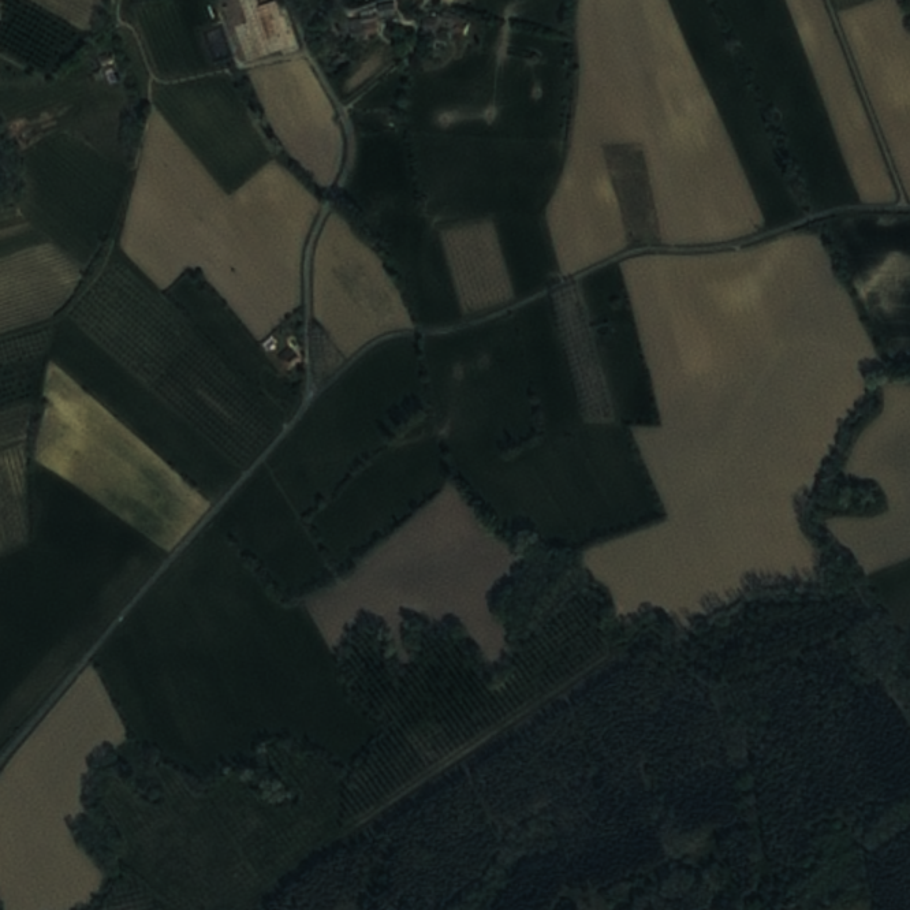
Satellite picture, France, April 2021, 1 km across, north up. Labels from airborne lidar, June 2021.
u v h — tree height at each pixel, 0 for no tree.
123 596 0
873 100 0
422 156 0
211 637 0
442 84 0
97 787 17
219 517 0
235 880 12
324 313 0
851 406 0
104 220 0
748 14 0
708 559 0
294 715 0
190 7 0
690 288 0
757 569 0
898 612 0
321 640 0
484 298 0
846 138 0
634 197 0
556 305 21
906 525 0
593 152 0
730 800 15
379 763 18
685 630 28
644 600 0
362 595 0
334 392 0
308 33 18
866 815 11
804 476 0
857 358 0
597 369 22
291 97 0
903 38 0
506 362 0
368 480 0
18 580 0
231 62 0
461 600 0
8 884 0
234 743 0
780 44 0
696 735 12
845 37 0
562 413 0
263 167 0
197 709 0
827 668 12
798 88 0
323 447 0
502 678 23
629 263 0
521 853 15
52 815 0
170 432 0
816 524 22
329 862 16
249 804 16
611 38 0
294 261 0
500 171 0
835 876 8
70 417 0
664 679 9
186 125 0
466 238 0
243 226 0
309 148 0
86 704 0
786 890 8
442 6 12
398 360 0
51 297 0
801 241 0
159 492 0
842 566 16
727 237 0
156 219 0
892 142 0
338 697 0
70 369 0
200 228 0
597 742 14
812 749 16
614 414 23
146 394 0
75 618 0
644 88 0
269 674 0
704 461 0
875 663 21
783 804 15
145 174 0
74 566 0
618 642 15
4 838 0
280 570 0
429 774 13
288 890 14
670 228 0
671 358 0
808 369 0
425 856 13
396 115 16
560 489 0
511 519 0
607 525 0
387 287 0
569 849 12
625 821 16
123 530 0
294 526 0
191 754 0
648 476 7
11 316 0
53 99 0
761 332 0
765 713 20
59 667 0
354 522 0
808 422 0
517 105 0
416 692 17
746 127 0
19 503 0
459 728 16
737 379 0
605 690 13
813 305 0
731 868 20
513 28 9
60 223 0
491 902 14
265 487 0
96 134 0
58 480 0
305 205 0
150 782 10
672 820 20
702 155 0
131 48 0
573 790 12
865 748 13
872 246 0
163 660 0
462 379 0
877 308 0
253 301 0
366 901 13
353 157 0
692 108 0
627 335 0
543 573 25
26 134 0
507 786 16
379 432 0
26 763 0
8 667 0
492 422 0
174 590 0
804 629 18
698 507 0
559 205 0
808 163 0
